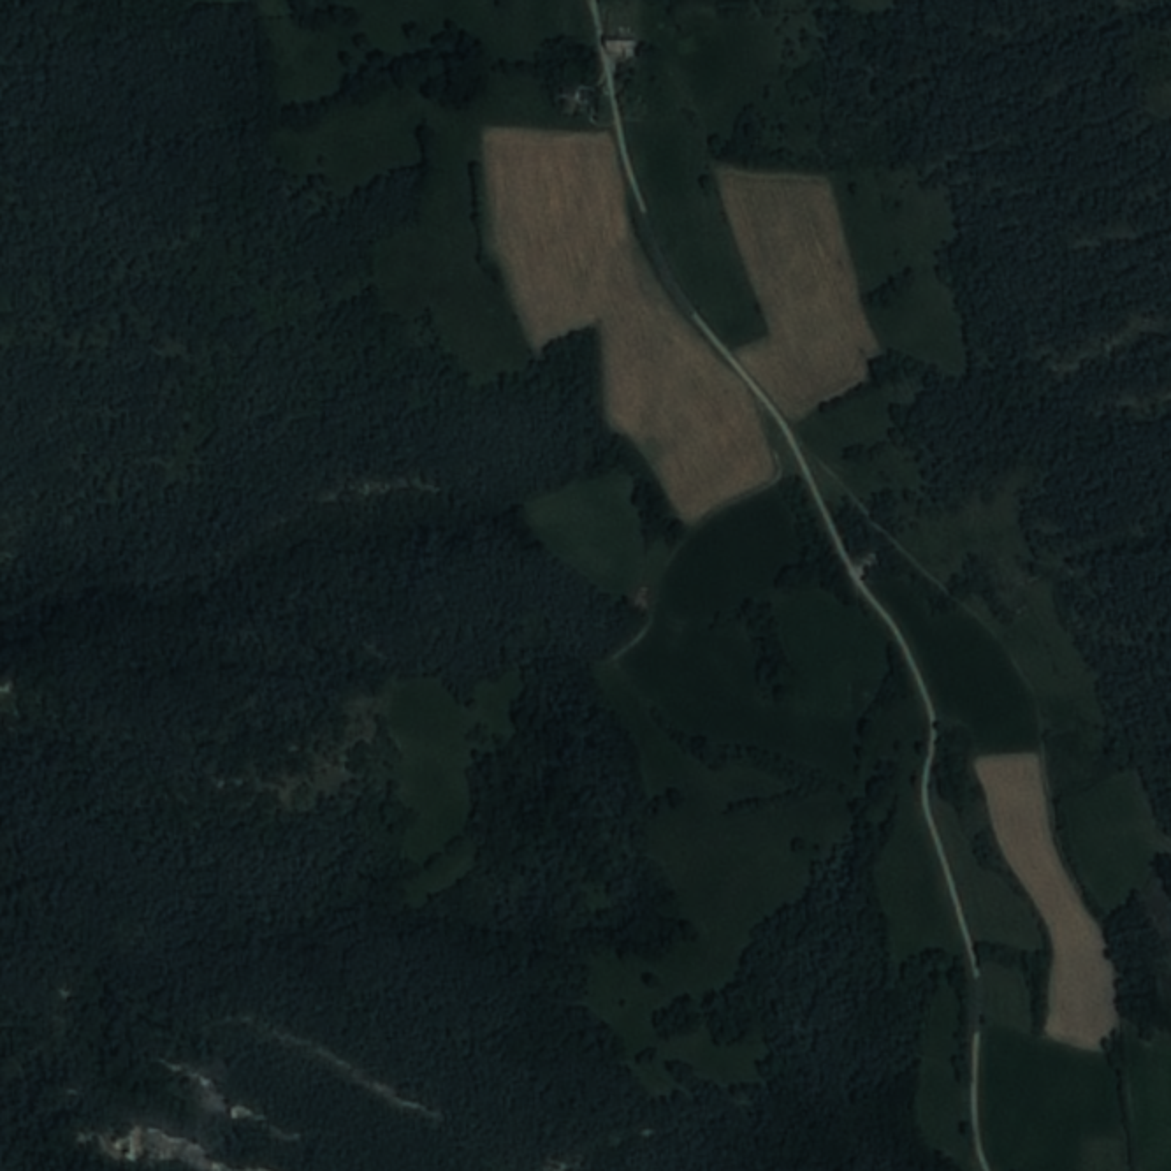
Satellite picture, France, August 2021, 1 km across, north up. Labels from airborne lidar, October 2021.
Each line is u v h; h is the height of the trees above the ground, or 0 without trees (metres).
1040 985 11
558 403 7
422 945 17
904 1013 10
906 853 0
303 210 11
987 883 0
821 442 0
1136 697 6
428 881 0
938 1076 0
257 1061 7
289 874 8
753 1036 16
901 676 11
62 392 7
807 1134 17
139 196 15
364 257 10
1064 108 14
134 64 12
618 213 0
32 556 11
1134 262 10
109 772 9
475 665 10
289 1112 6
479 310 0
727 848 0
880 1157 14
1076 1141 0
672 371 0
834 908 12
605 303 0
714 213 0
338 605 10
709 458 0
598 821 10
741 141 6
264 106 19
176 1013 9
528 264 0
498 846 7
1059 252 8
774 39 0
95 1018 26
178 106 13
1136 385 8
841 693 0
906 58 12
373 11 0
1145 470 15
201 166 13
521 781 14
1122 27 13
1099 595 6
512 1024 15
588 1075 16
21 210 7
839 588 13
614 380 0
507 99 0
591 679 8
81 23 6
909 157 12
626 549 0
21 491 8
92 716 14
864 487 0
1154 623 12
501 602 11
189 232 10
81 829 14
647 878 12
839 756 0
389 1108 6
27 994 11
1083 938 0
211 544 12
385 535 14
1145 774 9
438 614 8
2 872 13
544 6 0
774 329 0
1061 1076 0
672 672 0
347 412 12
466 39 16
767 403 0
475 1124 9
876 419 0
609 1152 8
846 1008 10
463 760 0
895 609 0
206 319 9
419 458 7
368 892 6
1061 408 10
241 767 7
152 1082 12
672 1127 10
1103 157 10
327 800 8
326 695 11
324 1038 8
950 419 13
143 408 12
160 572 16
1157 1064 0
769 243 0
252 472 11
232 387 11
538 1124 13
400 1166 7
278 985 9
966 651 0
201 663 16
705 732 0
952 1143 0
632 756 13
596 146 0
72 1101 6
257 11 11
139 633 20
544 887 9
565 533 0
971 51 12
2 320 7
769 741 0
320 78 0
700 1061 0
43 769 18
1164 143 8
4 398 8
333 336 6
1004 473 7
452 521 8
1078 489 7
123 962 7
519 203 0
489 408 6
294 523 9
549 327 0
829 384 0
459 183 0
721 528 0
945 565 0
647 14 0
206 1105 0
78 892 10
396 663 7
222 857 10
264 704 10
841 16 13
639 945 19
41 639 21
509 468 7
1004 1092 0
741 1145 14
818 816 0
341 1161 9
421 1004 13
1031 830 0
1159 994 16
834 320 0
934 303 0
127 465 9
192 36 12
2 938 9
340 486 7
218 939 13
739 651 0
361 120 0
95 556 14
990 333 6
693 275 0
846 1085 9
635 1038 0
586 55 14
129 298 5
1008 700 0
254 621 14
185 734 12
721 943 0
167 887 9
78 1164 18
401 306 0
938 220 0
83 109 10
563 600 8
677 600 0
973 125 11
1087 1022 0
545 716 8
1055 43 12
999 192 11
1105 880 0
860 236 0
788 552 0
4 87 9
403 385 9
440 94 24
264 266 6
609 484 0
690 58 0
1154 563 12
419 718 0
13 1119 8
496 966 13
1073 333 9
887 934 11
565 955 12
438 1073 10
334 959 14
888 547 9
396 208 14
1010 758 0
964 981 10
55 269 9
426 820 0
